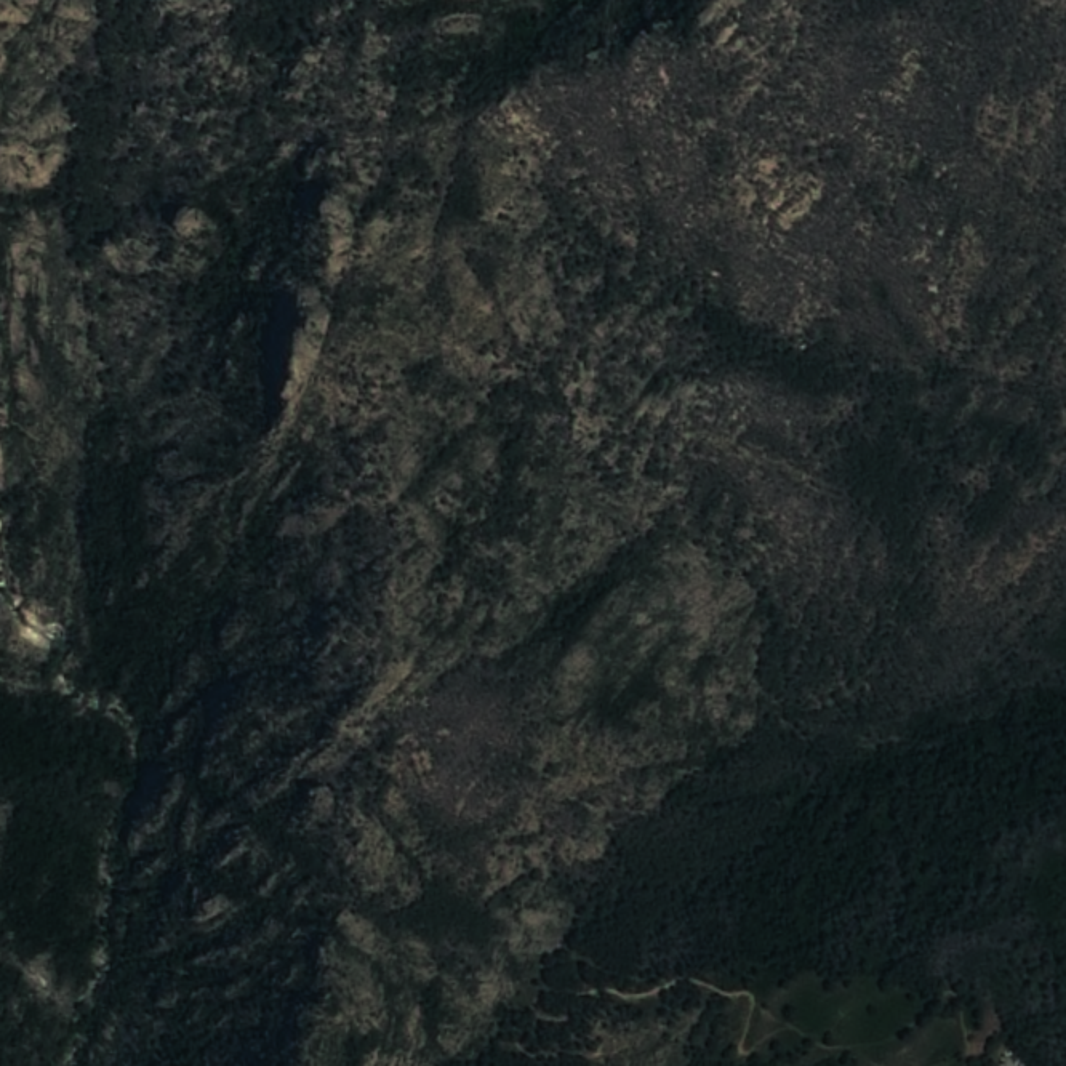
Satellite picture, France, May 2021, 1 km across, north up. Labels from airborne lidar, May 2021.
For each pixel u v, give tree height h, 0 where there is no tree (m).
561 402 15
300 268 13
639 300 15
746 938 9
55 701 7
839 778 15
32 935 8
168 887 7
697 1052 13
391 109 6
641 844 17
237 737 8
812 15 19
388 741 11
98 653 9
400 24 15
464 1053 14
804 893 12
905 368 12
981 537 12
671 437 6
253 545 9
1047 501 20
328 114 10
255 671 7
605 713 5
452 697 18
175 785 12
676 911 14
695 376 13
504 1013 11
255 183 13
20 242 0
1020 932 8
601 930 19
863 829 18
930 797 15
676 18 11
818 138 16
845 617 16
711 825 16
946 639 20
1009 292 15
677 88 20
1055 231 8
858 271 16
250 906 8
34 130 0
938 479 14
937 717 10
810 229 20
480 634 14
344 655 21
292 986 9
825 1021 0
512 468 11
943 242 16
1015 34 15
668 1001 13
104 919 11
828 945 16
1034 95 16
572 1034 13
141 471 12
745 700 10
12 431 9
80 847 11
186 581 7
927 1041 0
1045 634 12
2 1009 24
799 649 13
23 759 14
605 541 10
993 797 7
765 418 20
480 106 21
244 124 21
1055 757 18
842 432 17
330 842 5
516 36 12
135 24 16
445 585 10
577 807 21
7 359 6
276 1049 8
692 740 12
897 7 17
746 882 15
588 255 8
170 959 14
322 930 18
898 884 19
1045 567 16
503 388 15
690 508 24
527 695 13
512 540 17
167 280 25
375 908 12
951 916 18
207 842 8
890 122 16
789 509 14
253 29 17
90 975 10
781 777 7
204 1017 7
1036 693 17
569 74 13
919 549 7
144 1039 5
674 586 0
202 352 12
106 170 23
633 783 16
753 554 12
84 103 26
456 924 16
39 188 6
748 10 20
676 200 17
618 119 16
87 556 9
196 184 19
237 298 9
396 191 13
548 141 15
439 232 16
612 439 9
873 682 18
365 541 17
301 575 9
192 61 19
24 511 8
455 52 7
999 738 10
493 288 12
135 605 10
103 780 18
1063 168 17
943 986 19
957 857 8
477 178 14
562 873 15
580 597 21
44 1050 13
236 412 6
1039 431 17
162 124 18
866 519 13
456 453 6
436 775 18
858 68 20
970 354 16
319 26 13
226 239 14
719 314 22
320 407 0
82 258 26
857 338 21
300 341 0
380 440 6
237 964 9
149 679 6
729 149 11
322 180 7
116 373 15
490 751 19
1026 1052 14
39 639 0
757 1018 0
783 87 19
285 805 9
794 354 19
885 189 15
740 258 17
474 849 13
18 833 14
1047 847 7
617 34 6
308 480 7
